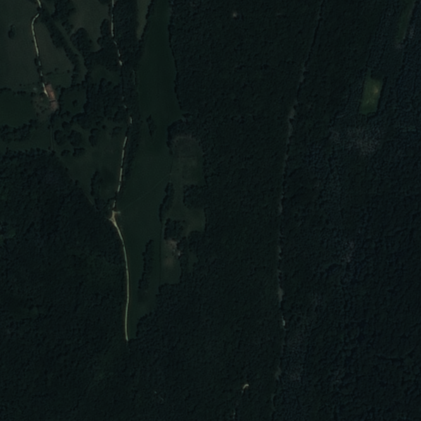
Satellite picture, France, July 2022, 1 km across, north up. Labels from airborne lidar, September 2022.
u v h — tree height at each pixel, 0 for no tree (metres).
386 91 17
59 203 8
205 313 12
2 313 18
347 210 22
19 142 6
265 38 19
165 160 0
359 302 32
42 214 12
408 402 33
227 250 22
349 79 22
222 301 18
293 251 23
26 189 25
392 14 15
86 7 0
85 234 21
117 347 14
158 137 0
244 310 18
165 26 0
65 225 21
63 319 26
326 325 19
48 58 0
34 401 17
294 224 31
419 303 26
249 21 23
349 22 19
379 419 26
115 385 20
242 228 18
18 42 0
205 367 10
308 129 18
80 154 14
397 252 19
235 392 21
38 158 18
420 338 32
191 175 0
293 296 10
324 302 25
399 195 21
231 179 19
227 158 25
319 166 28
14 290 23
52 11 0
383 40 0
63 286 13
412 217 31
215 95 19
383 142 18
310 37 25
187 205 10
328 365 29
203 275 9
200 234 11
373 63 0
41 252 27
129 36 16
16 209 23
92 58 17
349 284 35
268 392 20
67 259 23
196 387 12
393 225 27
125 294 9
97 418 19
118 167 0
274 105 20
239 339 18
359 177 27
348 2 19
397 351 34
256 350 19
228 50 28
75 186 15
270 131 22
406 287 30
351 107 23
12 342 17
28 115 0
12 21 0
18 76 0
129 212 0
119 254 16
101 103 16
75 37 12
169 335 16
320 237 21
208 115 28
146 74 0
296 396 25
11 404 13
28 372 23
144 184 0
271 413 24
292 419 26
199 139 14
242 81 23
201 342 12
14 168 20
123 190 14
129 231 0
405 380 23
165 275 0
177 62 15
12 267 20
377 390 28
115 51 13
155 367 13
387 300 29
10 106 0
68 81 0
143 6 0
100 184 12
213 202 18
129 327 0
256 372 15
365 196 24
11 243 34
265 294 19
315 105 21
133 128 14
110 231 15
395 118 21
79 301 23
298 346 0
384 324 31
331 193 20
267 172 26
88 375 9
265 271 19
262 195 27
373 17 17
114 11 9
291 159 16
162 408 13
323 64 19
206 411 17
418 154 26
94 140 16
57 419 13
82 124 16
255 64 27
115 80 0
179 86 19
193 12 17
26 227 25
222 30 19
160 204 0
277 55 25
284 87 21
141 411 18
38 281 19
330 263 24
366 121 19
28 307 7
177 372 18
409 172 24
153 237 0
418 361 33
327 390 23
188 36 15
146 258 14
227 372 17
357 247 26
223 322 17
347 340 25
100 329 8
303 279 21
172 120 0
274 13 26
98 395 14
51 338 18
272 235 22
